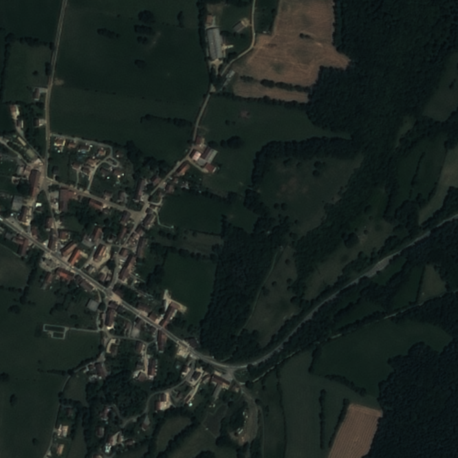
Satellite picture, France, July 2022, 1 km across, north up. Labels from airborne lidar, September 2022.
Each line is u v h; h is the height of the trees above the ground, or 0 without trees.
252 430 0
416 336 0
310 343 15
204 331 17
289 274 0
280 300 0
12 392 0
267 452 0
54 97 0
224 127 0
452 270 6
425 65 22
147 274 0
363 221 0
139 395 10
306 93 15
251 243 11
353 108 20
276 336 11
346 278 8
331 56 0
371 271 0
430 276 0
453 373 15
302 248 12
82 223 16
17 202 0
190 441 0
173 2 0
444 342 0
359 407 0
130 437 14
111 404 10
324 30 0
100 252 0
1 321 0
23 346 0
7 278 0
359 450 0
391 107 19
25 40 13
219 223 0
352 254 0
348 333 16
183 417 16
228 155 0
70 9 0
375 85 17
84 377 0
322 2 0
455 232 9
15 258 0
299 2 0
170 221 0
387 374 0
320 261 6
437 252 11
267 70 0
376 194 0
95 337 0
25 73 0
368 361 0
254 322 0
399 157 8
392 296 22
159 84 0
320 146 18
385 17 19
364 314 0
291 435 0
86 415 15
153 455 17
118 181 0
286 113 0
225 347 15
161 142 0
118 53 0
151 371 0
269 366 19
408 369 14
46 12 0
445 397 18
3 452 0
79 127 0
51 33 0
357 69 20
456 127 17
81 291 7
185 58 0
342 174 0
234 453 0
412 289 0
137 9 0
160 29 0
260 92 0
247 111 0
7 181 0
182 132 0
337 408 0
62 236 0
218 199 15
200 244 0
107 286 15
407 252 18
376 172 12
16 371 0
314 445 0
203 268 0
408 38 12
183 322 9
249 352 7
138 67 14
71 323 0
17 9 0
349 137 0
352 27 19
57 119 0
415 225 17
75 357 0
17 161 0
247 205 13
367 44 19
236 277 11
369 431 0
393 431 19
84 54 0
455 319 17
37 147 7
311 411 0
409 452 24
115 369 8
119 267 0
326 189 0
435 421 24
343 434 0
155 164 20
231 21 0
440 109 0
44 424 0
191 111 0
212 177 0
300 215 0
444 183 0
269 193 0
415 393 24
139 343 0
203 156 0
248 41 0
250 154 0
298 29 0
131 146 17
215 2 12
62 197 0
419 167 9
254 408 0
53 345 0
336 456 0
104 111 0
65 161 0
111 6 0
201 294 0
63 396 16
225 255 20
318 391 0
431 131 15
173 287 0
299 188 0
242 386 0
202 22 13
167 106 0
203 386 0
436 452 23
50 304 0
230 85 0
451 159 0
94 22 0
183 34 0
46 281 0
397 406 20
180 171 0
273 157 17
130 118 0
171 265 0
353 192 14
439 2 21
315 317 16
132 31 0
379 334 0
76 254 0
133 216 0
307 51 0
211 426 0
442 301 13
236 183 0
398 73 16
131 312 0
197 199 0
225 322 18
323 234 8
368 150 11
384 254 19
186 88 0
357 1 18
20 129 0
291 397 0
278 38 0
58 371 6
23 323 0
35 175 0
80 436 0
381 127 16
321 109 20
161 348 0
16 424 0
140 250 0
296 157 17
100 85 0
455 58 0
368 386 0
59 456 0
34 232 0
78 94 0
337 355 0
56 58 0
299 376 0
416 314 20
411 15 13
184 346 0
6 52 9
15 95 0
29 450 0
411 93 22
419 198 12
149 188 13
